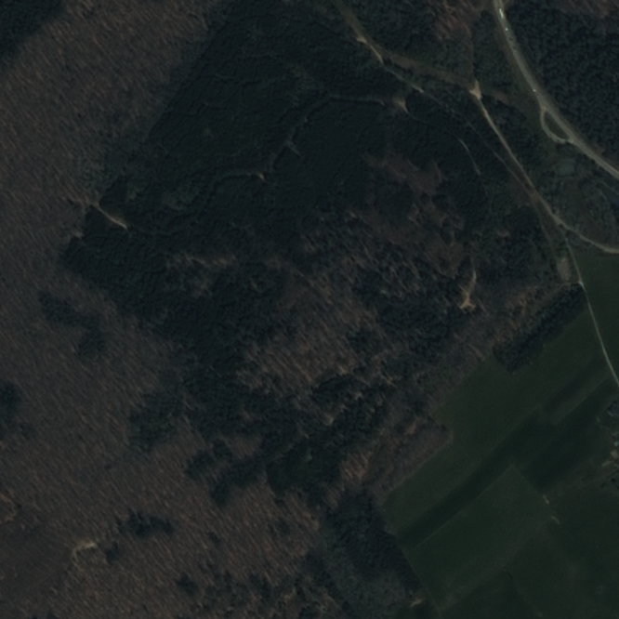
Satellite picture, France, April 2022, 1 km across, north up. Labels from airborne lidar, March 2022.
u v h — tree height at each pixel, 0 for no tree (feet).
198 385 39
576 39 27
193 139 31
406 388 22
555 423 0
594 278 0
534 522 0
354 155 52
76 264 46
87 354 86
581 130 91
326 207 61
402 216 52
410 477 72
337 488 82
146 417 78
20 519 18
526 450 0
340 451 76
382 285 76
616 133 77
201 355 60
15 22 94
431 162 45
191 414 74
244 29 58
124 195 54
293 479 47
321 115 68
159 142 60
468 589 0
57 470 86
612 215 69
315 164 56
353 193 48
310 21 57
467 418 0
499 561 0
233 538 81
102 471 79
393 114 77
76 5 79
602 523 0
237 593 58
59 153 81
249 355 90
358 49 48
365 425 102
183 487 72
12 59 73
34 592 30
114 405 80
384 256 36
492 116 31
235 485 95
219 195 41
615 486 20
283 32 53
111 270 59
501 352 26
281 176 60
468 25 93
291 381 80
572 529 0
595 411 0
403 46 80
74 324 67
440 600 0
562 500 0
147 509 71
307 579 96
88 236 32
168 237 39
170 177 38
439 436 98
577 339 0
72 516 81
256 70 49
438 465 0
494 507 0
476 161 53
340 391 40
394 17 62
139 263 61
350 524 57
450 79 0
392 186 52
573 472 0
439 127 57
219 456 72
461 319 94
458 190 43
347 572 76
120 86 94
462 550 0
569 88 88
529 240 89
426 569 0
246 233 36
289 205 57
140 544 68
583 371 0
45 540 34
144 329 20
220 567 73
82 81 73
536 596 0
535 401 0
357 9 66
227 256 48
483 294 60
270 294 51
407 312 92
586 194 63
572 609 0
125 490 78
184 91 39
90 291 69
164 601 66
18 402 102
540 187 38
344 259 102
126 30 72
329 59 63
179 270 22
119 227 28
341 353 107
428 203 29
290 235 47
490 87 49
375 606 65
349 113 55
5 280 83
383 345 84
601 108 89
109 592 66
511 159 55
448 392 94
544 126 0
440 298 82
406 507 0
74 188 77
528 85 0
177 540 75
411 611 0
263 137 31
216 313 57
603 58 91
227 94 51
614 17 29
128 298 78
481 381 0
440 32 91
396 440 48
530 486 0
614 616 0
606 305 0
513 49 0
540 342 88
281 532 93
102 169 77
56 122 86
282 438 77
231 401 69
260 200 64
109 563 62
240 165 46
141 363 79
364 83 55
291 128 64
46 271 79
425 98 57
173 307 36
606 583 0
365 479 19
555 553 0
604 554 0
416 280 104
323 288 105
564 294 25
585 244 51
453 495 0
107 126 92
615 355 0
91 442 77
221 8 65
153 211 40
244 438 101
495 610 0
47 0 67
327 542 60
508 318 74
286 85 44
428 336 89
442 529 0
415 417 44
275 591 66
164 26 84
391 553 58
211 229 57
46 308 65
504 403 0
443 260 27
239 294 45
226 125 35
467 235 47
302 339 94
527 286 81
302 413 81
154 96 77
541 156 70
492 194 46
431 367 84
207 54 58
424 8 50
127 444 86
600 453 0
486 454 0
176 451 81
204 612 41
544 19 93
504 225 52
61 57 87
